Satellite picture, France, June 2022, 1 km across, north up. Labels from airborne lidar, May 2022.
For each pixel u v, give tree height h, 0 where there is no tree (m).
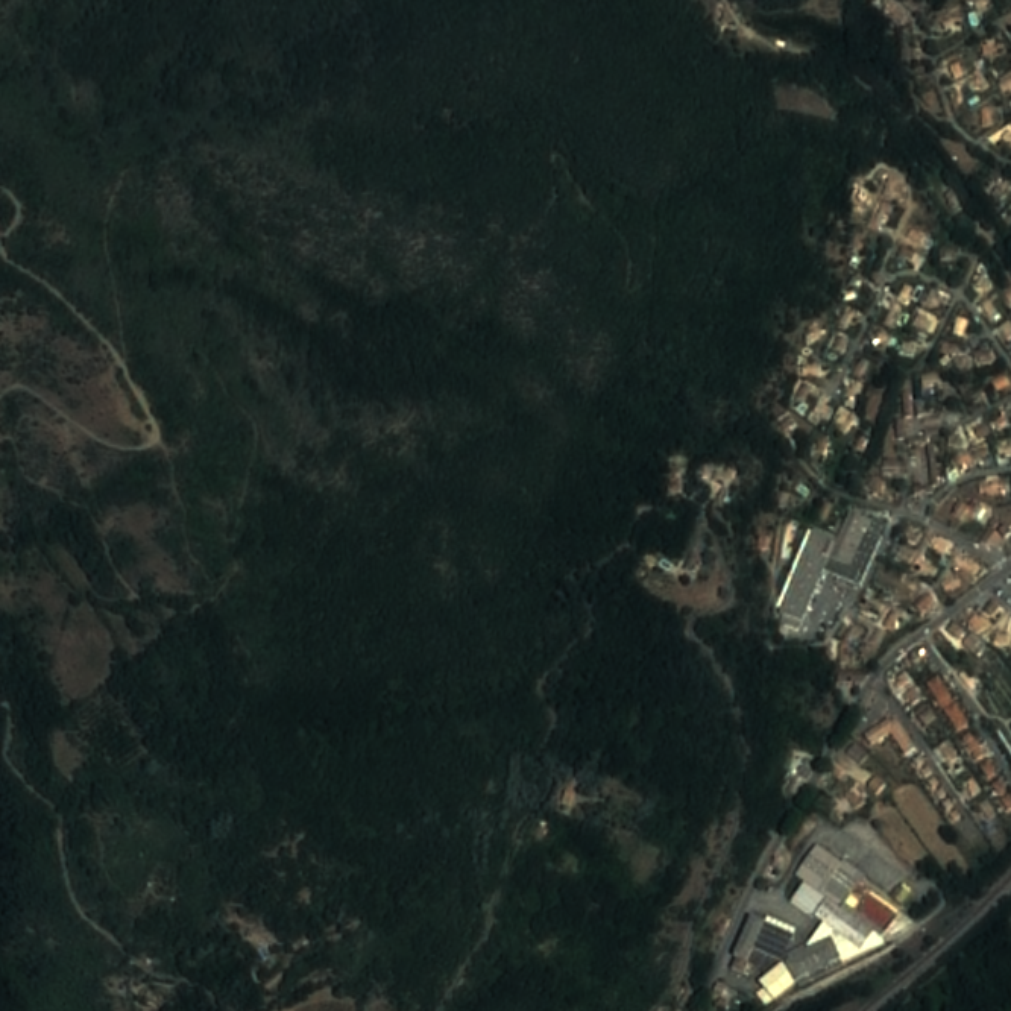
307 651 8
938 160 12
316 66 9
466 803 7
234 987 15
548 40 10
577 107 8
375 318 9
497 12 7
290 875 7
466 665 8
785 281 12
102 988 7
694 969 11
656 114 7
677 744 11
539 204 8
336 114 7
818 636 10
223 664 10
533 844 9
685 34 10
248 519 7
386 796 8
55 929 7
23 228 6
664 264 8
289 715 14
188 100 7
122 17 13
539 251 5
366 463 5
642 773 6
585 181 11
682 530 15
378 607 9
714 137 8
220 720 8
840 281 8
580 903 18
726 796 13
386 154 7
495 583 5
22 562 9
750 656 8
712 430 12
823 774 22
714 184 12
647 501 11
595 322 6
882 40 11
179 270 9
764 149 10
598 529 17
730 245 7
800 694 9
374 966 9
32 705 9
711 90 7
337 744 11
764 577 11
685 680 7
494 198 7
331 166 9
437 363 9
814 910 0
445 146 10
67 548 5
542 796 9
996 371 13
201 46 7
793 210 11
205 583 6
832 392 0
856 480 16
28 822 9
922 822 0
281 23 7
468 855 9
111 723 8
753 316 12
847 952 0
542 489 6
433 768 13
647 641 17
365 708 15
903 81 14
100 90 7
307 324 8
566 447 7
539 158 9
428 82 7
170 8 9
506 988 18
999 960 18
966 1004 14
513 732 8
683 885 16
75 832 8
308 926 11
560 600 20
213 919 17
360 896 11
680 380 11
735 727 13
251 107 6
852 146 8
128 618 9
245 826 8
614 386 7
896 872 0
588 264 7
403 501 7
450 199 8
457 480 7
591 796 16
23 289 6
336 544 13
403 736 9
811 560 0
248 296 11
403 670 8
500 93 8
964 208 11
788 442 9
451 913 9
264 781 6
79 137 7
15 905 13
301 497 8
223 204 11
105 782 7
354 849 10
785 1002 0
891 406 13
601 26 10
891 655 0
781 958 0
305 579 10
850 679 0
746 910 0
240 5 8
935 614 0
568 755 16
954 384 13
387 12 9
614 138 6
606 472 10
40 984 6
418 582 8
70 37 8
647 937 10
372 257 7
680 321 7
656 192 7
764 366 9
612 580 16
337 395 7
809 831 0
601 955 9
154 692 8
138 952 6
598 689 16
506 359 7
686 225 8
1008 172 14
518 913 10
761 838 8
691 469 10
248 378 8
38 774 9
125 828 16
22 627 8
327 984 9
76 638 0
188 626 13
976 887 6
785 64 11
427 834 11
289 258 8
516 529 8
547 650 12
